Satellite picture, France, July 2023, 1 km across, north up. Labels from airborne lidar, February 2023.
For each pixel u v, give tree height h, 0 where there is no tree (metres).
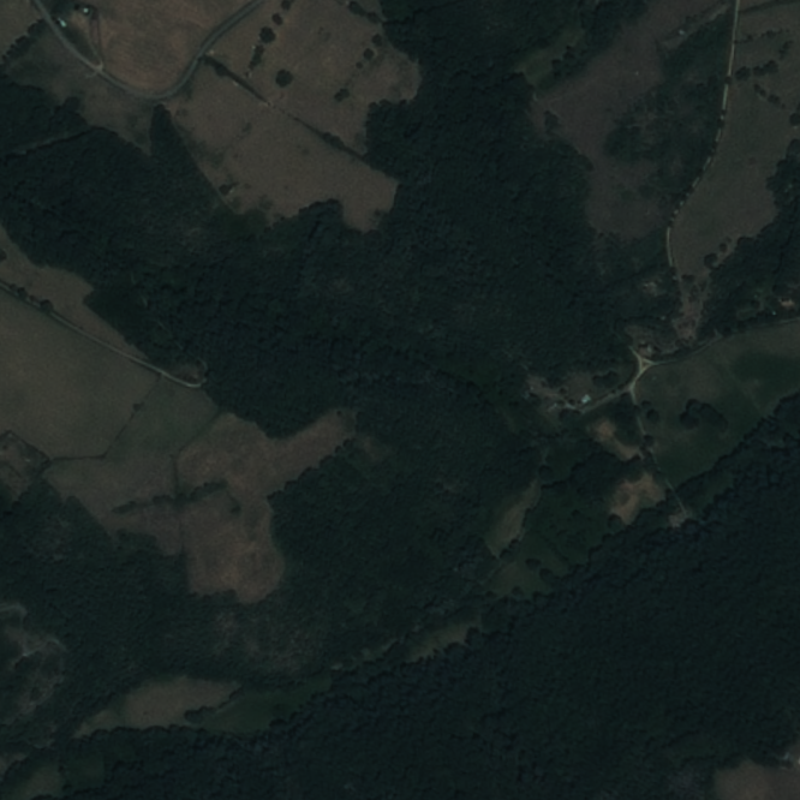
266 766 19
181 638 8
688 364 0
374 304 13
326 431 0
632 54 0
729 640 20
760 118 0
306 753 18
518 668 23
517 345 13
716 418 24
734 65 0
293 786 25
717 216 0
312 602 13
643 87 0
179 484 0
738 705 19
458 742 26
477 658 18
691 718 18
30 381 0
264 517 0
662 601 22
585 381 0
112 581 13
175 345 7
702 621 22
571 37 0
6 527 25
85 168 14
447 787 25
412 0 23
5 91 15
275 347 12
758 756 13
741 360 0
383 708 15
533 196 18
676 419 0
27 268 0
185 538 0
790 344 0
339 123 0
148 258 11
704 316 7
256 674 9
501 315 7
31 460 0
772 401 0
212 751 20
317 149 0
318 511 20
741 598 20
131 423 0
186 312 24
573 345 11
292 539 15
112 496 0
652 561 17
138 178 8
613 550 19
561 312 19
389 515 17
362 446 0
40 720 7
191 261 9
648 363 0
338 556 16
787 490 23
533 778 29
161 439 0
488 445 19
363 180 0
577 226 8
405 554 10
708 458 0
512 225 22
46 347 0
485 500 16
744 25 0
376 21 11
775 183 10
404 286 13
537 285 16
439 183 15
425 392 17
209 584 0
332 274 8
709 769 11
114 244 20
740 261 11
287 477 0
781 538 16
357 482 15
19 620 7
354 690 21
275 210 0
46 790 0
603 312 11
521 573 0
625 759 16
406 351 8
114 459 0
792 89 0
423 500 18
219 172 0
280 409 21
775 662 17
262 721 0
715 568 21
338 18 0
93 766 0
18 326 0
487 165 20
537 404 13
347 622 13
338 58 0
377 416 14
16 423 0
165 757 17
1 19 0
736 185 0
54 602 17
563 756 14
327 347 20
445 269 21
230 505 0
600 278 7
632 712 18
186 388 0
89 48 0
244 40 0
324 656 12
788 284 12
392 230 9
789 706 13
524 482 19
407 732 18
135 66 0
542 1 13
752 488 28
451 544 16
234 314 24
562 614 19
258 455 0
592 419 0
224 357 13
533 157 12
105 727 0
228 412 11
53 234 27
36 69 0
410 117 17
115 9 0
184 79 0
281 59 0
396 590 8
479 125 19
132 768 9
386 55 0
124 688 14
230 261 19
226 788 18
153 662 10
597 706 21
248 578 0
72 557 11
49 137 17
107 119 0
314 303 21
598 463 19
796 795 0
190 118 0
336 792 20
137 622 17
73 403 0
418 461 7
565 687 20
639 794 12
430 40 26
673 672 20
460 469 19
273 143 0
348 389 19
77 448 0
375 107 12
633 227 0
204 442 0
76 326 0
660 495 0
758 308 14
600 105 0
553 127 8
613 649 23
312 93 0
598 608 20
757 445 21
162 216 9
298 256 8
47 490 6
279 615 13
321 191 0
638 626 21
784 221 13
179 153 7
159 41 0
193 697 0
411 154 9
